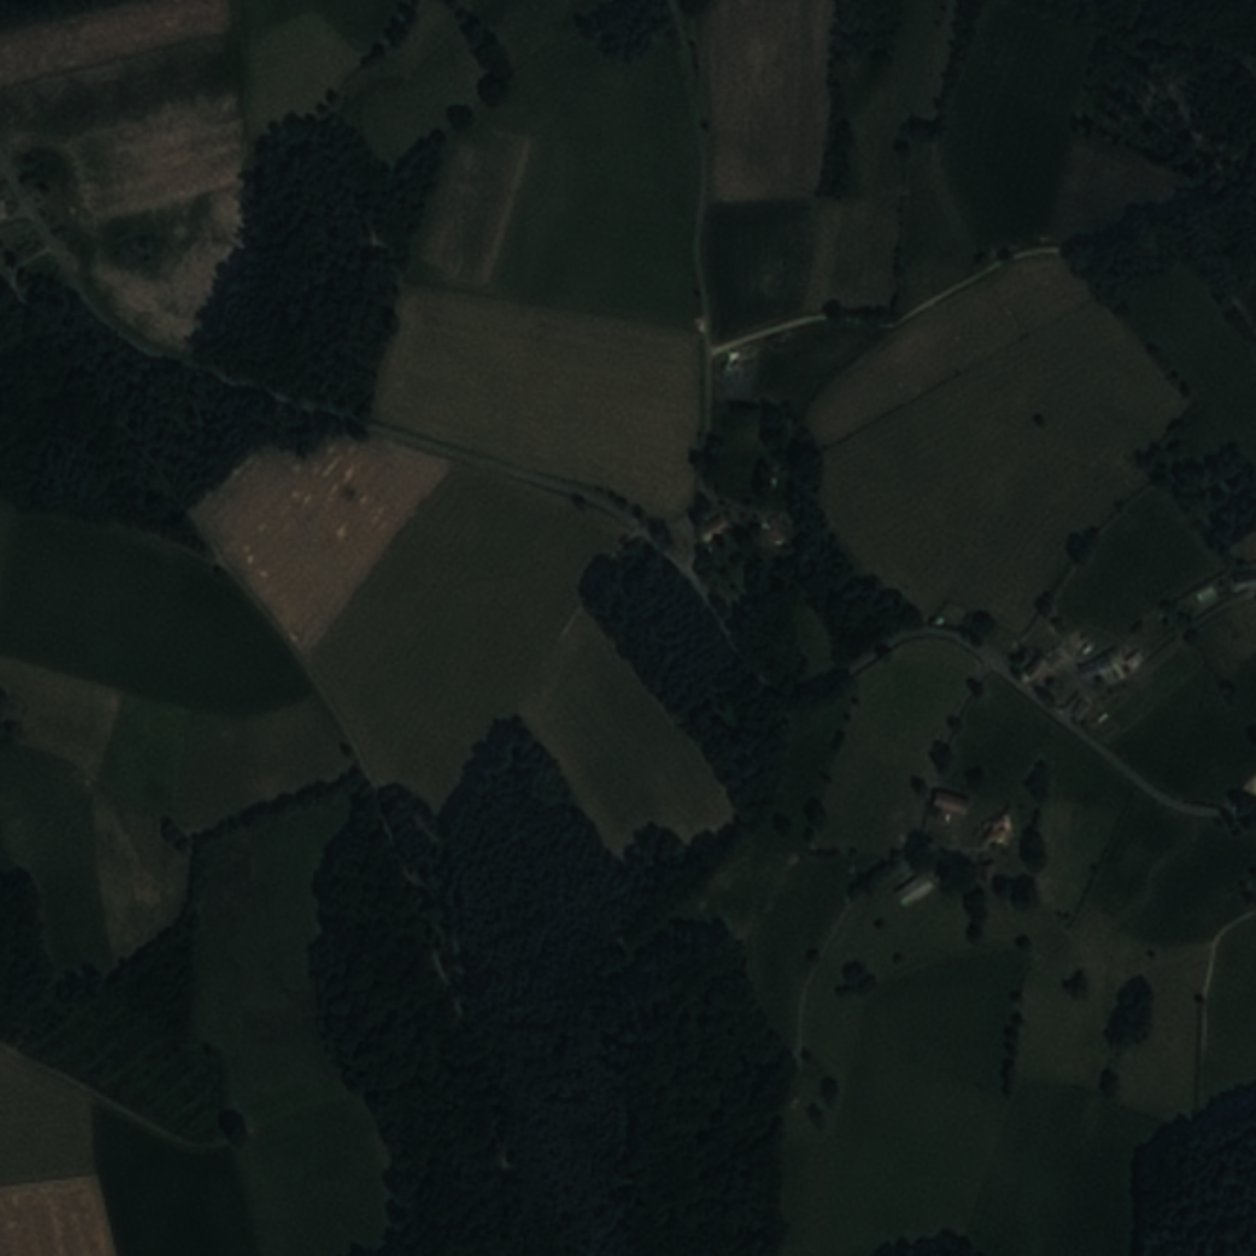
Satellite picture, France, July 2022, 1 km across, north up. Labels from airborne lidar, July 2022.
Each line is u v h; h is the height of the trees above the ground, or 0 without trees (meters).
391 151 0
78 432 19
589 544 0
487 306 0
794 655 19
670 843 20
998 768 0
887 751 0
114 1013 0
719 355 0
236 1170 0
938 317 0
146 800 0
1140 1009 17
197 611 0
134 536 0
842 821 0
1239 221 23
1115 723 0
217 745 0
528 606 0
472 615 0
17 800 0
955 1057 0
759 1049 25
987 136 0
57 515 9
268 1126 0
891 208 0
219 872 0
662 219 0
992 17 0
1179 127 20
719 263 0
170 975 7
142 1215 0
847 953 0
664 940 26
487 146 0
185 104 0
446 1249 28
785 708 14
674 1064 28
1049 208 0
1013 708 0
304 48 0
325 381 17
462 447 0
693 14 12
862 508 0
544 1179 23
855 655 11
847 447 0
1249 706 0
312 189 18
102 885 0
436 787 0
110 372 23
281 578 0
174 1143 0
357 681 0
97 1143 0
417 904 23
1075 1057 0
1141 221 26
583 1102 23
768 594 22
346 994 23
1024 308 0
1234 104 23
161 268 0
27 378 27
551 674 0
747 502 7
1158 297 0
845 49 18
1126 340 0
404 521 0
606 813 0
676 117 0
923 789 16
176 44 0
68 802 0
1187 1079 0
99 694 0
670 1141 29
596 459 0
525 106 0
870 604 20
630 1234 24
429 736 0
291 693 0
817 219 0
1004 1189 0
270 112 0
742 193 0
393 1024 27
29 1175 0
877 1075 0
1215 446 0
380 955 27
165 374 23
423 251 0
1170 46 29
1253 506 22
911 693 0
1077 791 0
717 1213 26
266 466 0
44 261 0
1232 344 0
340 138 20
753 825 20
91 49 0
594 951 23
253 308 28
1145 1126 0
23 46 0
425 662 0
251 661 0
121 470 15
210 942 0
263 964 0
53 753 0
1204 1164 32
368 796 18
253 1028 0
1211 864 0
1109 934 0
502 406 0
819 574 17
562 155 0
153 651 0
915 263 0
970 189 0
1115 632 0
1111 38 21
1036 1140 0
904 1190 0
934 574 0
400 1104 22
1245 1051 0
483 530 0
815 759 0
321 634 0
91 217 0
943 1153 0
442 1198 27
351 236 22
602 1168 23
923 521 0
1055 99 0
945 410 0
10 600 0
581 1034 22
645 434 0
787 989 0
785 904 0
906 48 0
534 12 0
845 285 0
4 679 0
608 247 0
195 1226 0
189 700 0
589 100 0
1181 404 0
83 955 0
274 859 0
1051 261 0
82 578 0
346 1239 0
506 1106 22
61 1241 0
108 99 0
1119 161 0
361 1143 0
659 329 0
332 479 0
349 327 20
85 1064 0
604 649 0
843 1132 0
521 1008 21
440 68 0
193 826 0
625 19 17
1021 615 0
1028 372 0
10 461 24
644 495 0
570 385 0
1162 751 0
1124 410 0
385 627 0
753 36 0
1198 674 0
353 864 22
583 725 0
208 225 0
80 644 0
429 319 0
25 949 20
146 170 0
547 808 28
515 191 0
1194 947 0
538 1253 23
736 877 0
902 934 0
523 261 0
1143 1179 26
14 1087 0
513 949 25
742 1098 28
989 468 0
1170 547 0
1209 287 10
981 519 0
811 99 0
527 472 0
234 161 0
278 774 0
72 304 18
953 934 0
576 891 25
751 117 0
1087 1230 0
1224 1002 0
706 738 10
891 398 0
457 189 0
